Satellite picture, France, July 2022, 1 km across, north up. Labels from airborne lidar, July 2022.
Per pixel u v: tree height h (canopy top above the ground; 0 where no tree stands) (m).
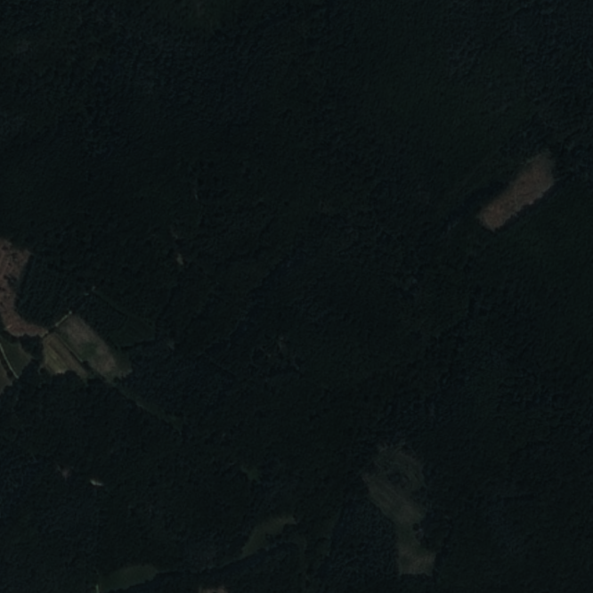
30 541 24
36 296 10
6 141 23
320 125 32
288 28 14
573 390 22
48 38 9
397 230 19
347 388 19
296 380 23
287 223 26
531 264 16
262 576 21
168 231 26
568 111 25
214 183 6
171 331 9
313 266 26
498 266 15
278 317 23
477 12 16
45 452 20
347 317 23
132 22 21
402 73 17
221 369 14
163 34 29
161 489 21
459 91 15
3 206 22
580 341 11
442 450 22
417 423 18
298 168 23
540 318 19
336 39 21
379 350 21
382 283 29
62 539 18
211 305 19
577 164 20
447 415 24
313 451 24
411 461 0
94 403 18
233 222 19
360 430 22
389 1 17
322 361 24
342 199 18
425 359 19
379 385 21
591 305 20
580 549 23
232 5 20
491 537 24
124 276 23
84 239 8
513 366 24
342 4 16
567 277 20
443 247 21
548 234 16
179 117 29
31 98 20
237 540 19
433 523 24
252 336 23
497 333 19
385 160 18
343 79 20
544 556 25
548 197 19
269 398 24
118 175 23
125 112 25
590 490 20
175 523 21
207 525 22
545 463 19
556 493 22
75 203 24
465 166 20
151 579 0
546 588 13
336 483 24
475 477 16
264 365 22
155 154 23
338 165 23
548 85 25
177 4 10
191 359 27
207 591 0
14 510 25
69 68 8
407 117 15
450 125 17
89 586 26
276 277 29
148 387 18
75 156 24
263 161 21
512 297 14
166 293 11
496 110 14
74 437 21
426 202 8
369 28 21
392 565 21
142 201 21
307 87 32
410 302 25
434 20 17
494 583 14
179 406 9
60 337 0
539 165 0
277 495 16
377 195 26
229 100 26
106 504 25
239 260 22
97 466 23
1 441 7
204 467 23
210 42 17
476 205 12
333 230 25
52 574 23
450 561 24
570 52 26
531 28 24
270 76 19
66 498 23
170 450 22
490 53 19
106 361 0
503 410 20
